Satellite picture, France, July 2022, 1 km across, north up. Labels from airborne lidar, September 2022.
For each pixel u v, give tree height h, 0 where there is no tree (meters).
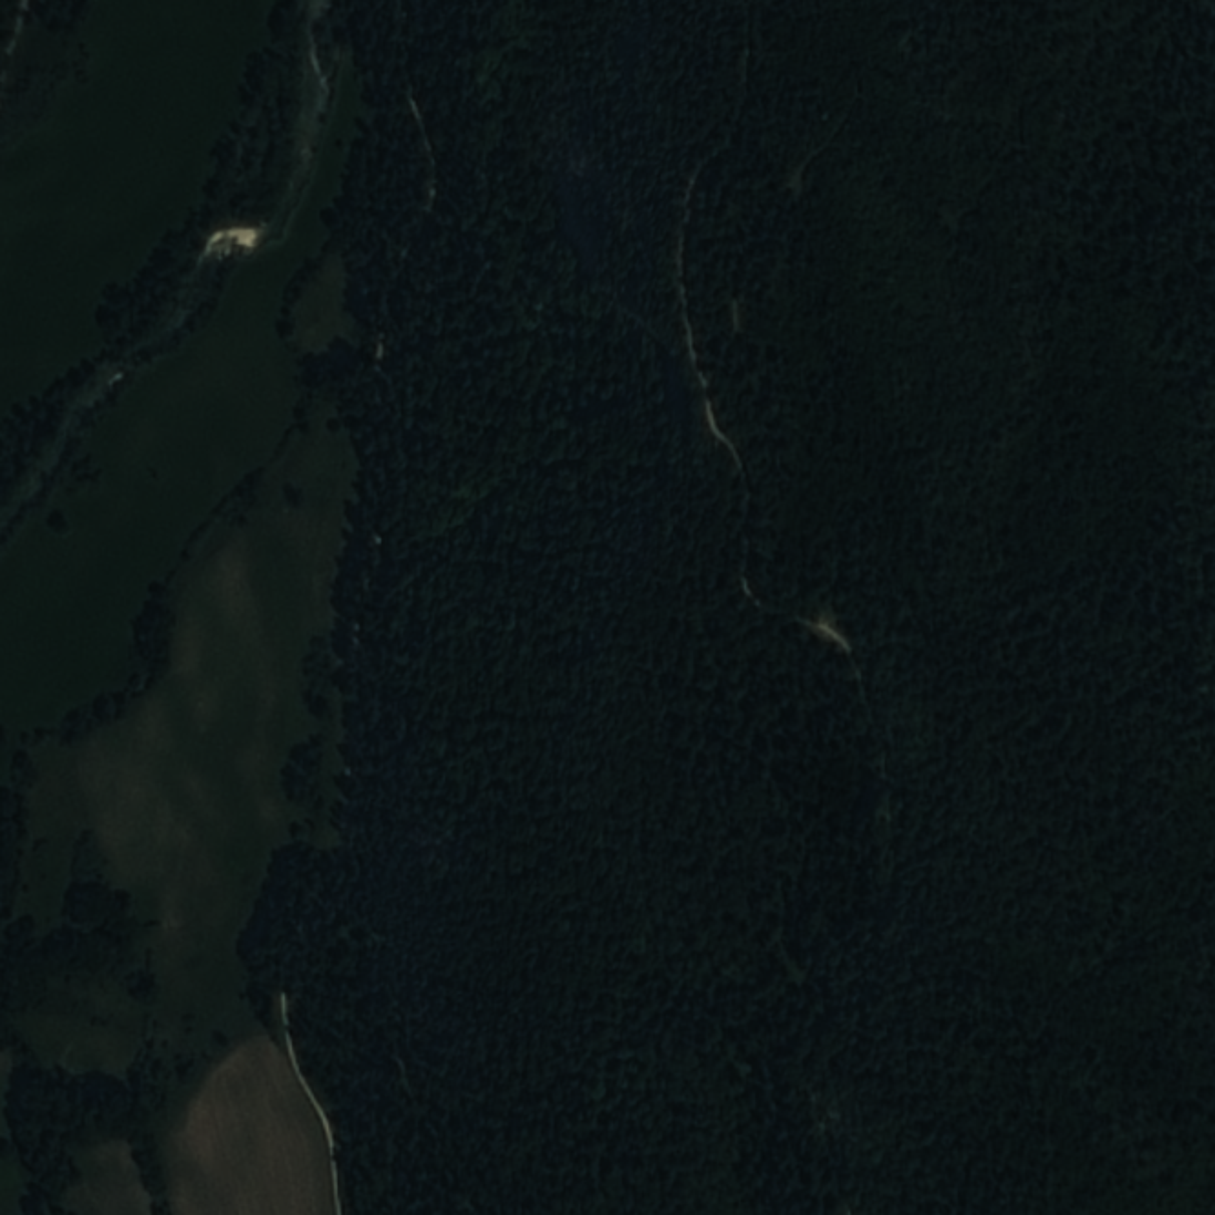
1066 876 20
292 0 14
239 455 0
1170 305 9
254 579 0
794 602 20
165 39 0
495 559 26
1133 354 6
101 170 0
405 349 23
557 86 15
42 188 0
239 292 0
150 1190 16
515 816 28
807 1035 18
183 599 0
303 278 12
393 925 13
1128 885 7
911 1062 16
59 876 0
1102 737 14
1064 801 20
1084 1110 14
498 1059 25
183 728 0
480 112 17
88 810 0
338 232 21
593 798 13
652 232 10
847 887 16
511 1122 15
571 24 26
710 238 19
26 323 0
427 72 20
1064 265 23
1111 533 9
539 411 25
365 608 13
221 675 0
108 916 12
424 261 7
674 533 21
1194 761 8
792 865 16
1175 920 7
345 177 0
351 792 28
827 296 13
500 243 29
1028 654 22
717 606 23
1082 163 12
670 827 23
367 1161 6
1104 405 9
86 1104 31
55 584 0
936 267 8
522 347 26
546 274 28
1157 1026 14
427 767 17
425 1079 9
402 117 29
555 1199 24
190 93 0
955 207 6
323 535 0
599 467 22
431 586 22
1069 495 12
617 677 12
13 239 0
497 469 18
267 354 0
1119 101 19
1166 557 18
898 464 16
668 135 13
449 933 19
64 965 14
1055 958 10
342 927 6
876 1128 13
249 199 13
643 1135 24
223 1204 0
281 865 18
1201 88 25
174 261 22
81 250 0
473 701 28
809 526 10
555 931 24
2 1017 24
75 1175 23
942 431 10
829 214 10
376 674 13
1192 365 9
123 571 0
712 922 22
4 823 15
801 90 11
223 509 6
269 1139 0
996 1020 11
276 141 12
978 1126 14
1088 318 9
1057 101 9
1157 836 14
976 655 16
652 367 30
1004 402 9
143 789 0
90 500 0
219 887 0
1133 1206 8
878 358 9
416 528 20
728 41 20
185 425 0
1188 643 19
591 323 26
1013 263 9
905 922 19
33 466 17
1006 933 9
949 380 9
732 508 21
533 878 26
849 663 21
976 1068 10
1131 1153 10
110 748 0
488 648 28
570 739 14
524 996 18
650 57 12
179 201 0
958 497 8
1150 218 19
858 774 9
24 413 20
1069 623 13
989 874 19
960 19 20
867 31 8
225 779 0
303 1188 0
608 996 22
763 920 15
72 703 0
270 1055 0
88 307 0
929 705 14
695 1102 17
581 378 35
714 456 14
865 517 10
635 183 10
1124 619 26
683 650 23
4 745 12
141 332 23
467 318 10
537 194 29
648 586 21
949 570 7
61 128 0
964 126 7
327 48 14
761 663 24
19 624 0
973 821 12
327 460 0
